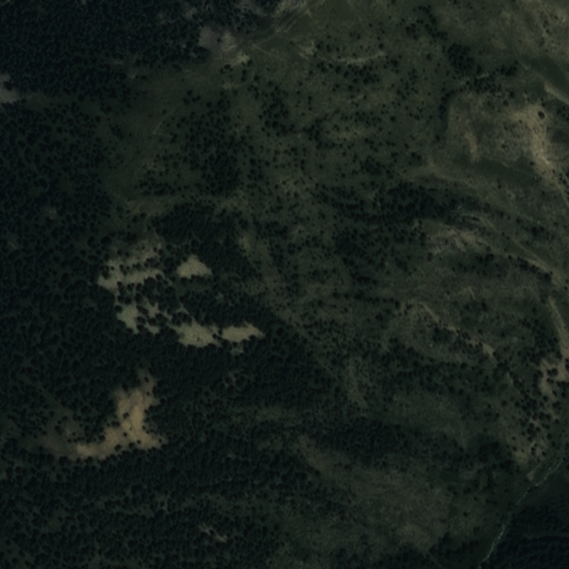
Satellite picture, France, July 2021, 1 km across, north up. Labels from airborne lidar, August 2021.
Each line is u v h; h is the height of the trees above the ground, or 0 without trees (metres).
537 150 0
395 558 6
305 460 8
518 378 12
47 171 20
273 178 0
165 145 0
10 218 16
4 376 23
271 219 0
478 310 0
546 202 0
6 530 21
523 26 0
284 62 0
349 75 11
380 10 0
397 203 17
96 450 0
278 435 14
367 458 12
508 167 0
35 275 11
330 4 0
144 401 0
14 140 17
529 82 0
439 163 0
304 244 7
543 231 13
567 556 18
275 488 16
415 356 15
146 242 0
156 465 21
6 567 15
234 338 0
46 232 9
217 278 13
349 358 9
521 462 0
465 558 24
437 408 0
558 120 0
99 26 9
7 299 18
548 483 0
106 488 15
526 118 0
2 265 15
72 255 17
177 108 0
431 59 10
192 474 22
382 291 0
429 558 14
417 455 8
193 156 10
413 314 0
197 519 16
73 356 19
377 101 0
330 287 0
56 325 20
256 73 0
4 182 12
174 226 17
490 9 0
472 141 0
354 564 14
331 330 8
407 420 8
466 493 13
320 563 6
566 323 0
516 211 0
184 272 0
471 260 0
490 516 0
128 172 0
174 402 20
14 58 16
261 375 23
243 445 23
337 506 9
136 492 19
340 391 18
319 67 10
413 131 0
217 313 21
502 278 0
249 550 14
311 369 21
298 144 0
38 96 0
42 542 18
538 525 10
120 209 10
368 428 10
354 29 0
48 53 18
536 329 8
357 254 19
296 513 7
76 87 19
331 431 15
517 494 0
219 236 9
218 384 19
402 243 11
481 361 12
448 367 9
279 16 0
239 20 11
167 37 14
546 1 0
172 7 10
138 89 0
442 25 0
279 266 15
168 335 24
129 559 10
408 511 0
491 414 9
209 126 11
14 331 20
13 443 9
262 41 0
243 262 16
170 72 0
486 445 7
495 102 0
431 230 0
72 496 17
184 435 14
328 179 0
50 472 6
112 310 23
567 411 0
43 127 14
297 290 7
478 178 0
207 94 0
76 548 15
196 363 25
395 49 0
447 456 12
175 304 19
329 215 0
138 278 0
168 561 16
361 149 0
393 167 5
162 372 21
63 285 17
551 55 0
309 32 0
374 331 7
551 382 10
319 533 6
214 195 13
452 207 8
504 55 0
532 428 12
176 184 8
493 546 0
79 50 17
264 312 17
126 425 0
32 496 6
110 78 18
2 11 10
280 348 22
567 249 0
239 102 0
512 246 0
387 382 11
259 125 0
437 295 0
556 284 0
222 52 0
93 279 20
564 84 0
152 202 0
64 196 14
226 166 14
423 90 0
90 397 14
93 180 7
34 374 14
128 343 19
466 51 9
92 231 7
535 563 16
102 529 20
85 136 11
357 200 12
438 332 18
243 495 10
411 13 0
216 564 8
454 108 0
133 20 16
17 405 21
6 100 0
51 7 18
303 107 0
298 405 13
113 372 26
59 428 11
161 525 23
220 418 19
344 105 0
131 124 0
